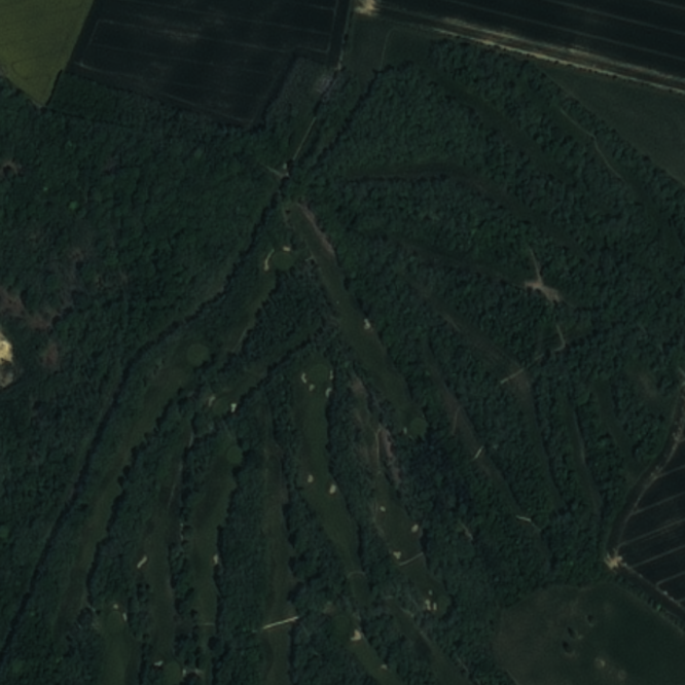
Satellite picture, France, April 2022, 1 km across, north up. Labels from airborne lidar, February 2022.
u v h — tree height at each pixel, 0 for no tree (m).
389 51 0
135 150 19
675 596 0
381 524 0
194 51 0
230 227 23
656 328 22
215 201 25
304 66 18
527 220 0
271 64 0
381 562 20
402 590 22
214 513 0
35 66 0
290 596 0
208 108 0
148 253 24
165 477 21
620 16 0
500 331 17
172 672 0
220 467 0
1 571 15
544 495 19
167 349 19
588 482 0
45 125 20
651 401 0
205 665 25
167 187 22
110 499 0
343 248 21
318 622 25
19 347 8
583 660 0
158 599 0
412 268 21
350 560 0
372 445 0
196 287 25
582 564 21
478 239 18
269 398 15
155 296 18
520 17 0
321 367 0
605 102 0
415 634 0
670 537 0
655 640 0
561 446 18
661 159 0
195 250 24
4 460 24
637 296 25
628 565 0
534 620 0
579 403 24
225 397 0
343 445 20
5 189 18
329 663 26
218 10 0
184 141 18
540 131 17
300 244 21
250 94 0
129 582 20
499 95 16
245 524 22
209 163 25
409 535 0
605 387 0
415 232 23
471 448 0
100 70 0
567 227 20
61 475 9
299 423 0
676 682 0
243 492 20
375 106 19
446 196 23
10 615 22
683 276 22
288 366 17
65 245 23
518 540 19
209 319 18
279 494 0
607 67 0
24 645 20
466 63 22
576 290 16
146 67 0
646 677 0
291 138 19
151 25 0
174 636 0
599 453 14
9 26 0
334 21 0
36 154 19
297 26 0
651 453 16
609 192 23
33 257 16
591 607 0
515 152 22
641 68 0
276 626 0
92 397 23
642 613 0
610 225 21
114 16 0
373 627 25
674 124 0
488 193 0
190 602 24
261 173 23
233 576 22
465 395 17
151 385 20
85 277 25
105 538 0
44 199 19
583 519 31
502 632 0
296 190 20
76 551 23
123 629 0
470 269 0
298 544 22
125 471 0
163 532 0
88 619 21
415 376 24
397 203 27
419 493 22
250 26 0
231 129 13
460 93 0
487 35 0
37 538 24
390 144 21
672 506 0
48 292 24
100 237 15
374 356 0
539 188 19
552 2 0
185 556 7
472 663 21
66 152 22
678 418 0
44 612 21
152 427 0
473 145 21
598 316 18
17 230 16
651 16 0
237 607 23
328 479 0
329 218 24
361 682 25
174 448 19
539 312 13
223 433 22
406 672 20
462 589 24
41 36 0
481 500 22
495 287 24
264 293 0
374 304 22
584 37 0
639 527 0
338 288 0
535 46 0
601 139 16
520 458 14
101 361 26
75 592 0
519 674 0
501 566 20
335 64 0
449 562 24
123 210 24
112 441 22
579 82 0
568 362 20
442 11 0
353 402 22
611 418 0
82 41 0
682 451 0
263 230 18
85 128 24
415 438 0
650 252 18
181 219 24
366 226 17
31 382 10
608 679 0
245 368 20
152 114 23
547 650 0
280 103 19
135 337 19
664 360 23
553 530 14
